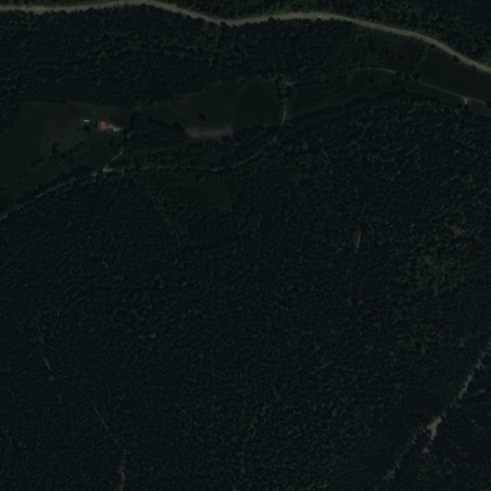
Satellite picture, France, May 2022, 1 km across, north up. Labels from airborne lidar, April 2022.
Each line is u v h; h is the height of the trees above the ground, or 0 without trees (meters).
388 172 27
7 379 25
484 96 0
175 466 27
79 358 26
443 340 21
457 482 24
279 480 24
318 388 24
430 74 0
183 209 12
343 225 10
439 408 21
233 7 11
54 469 7
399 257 21
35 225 23
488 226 22
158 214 25
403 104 24
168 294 26
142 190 18
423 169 22
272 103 0
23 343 24
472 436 22
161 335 28
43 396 23
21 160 0
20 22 24
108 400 19
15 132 0
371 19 17
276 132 21
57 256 24
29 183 0
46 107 0
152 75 18
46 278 26
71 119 0
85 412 25
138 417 16
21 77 23
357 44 0
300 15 0
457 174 20
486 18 27
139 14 24
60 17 20
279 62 24
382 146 25
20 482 23
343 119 24
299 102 0
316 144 24
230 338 25
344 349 30
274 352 26
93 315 26
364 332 22
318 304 18
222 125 0
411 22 25
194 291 25
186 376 27
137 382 27
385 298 19
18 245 23
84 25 23
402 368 23
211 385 26
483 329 22
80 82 24
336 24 26
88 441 29
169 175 12
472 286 19
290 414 24
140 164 19
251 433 10
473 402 22
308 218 9
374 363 22
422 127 21
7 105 31
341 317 27
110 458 28
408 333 21
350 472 21
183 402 31
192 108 0
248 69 22
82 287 24
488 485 27
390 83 0
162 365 28
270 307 25
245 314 27
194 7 20
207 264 31
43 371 22
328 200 26
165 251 28
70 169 0
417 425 19
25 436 30
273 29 27
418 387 16
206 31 25
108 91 26
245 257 27
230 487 27
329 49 25
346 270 21
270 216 11
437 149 24
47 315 11
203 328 32
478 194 6
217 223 8
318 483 18
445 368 26
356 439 20
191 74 9
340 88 23
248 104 0
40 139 0
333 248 22
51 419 26
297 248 22
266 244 27
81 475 29
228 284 27
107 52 19
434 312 21
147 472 27
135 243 20
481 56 20
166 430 12
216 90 0
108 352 27
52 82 31
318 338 23
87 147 11
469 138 24
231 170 15
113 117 0
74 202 27
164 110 0
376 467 19
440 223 22
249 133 24
